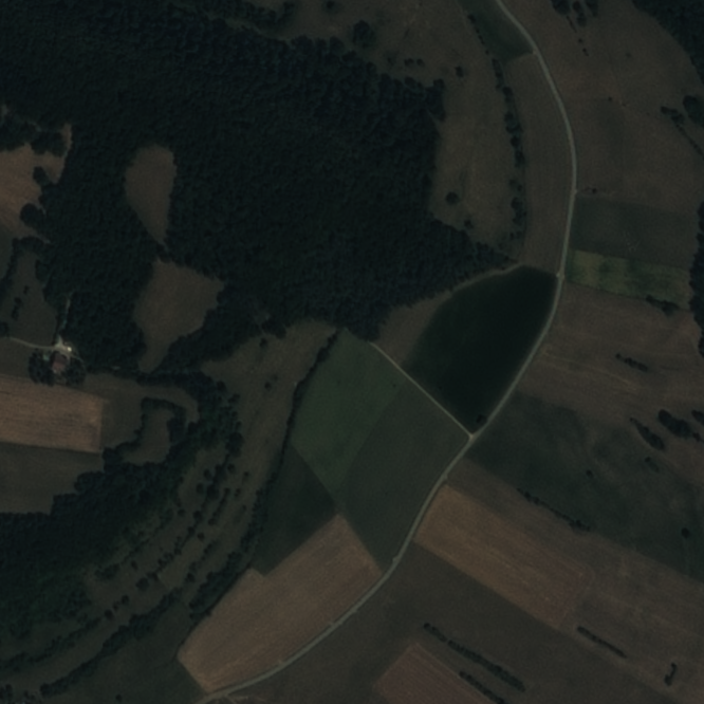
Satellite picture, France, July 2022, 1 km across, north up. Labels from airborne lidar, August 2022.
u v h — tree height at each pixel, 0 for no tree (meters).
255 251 22
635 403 0
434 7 0
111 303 15
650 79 0
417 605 0
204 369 0
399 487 0
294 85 25
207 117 22
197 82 22
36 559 15
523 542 0
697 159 0
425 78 0
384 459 0
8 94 18
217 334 20
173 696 0
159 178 0
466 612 0
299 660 0
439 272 23
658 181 0
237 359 0
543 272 0
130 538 9
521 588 0
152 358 0
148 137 22
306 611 0
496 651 0
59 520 15
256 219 20
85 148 18
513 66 0
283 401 0
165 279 0
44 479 0
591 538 0
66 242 15
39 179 18
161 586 0
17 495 0
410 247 12
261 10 9
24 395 0
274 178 19
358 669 0
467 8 0
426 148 24
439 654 0
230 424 6
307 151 15
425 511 0
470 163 0
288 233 16
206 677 0
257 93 25
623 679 0
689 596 0
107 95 19
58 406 0
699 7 22
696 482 0
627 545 0
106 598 0
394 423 0
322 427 0
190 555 0
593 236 0
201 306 0
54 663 0
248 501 0
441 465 0
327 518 0
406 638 0
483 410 0
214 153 13
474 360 0
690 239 0
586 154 0
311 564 0
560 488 0
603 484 0
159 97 22
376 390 0
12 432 0
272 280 17
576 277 0
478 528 0
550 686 0
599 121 0
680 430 20
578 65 0
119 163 20
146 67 18
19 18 13
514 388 0
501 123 0
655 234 0
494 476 0
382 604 0
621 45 0
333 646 0
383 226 13
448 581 0
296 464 0
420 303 0
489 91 0
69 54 14
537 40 0
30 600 13
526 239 0
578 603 0
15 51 17
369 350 0
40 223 17
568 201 0
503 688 0
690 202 0
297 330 0
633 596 0
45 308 0
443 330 0
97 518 16
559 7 16
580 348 0
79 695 0
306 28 0
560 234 0
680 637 0
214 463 0
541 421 0
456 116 0
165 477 8
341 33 0
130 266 17
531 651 0
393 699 0
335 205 16
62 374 6
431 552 0
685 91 0
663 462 0
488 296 0
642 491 0
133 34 28
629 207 0
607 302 0
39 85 15
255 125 18
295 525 0
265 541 0
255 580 0
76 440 0
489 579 0
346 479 0
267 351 0
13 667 9
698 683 0
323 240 11
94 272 18
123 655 0
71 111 18
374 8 0
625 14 0
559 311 0
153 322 0
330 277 11
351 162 12
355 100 27
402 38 0
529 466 0
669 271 0
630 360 10
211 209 21
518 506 0
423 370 0
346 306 17
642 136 0
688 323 0
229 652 0
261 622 0
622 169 0
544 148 0
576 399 0
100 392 0
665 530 0
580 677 0
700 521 0
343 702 0
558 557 0
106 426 0
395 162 24
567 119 0
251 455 0
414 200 21
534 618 0
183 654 0
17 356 0
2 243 0
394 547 0
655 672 0
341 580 0
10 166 0
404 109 29
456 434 0
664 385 0
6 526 17
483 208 0
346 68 20
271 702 0
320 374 0
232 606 0
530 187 0
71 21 22
